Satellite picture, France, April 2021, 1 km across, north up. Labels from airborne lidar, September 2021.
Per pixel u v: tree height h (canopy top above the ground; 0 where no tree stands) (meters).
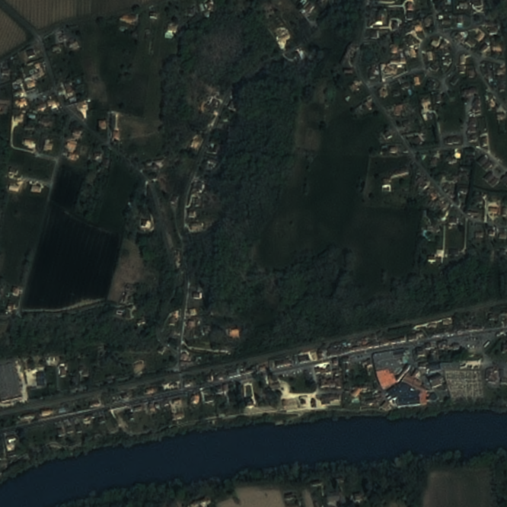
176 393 0
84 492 0
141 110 0
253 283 21
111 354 11
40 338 22
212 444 0
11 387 0
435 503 0
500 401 15
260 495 0
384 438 0
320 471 22
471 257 20
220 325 0
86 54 0
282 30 0
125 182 0
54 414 5
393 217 0
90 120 0
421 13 7
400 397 0
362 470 27
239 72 25
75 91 8
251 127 19
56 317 7
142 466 0
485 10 10
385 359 0
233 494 16
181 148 15
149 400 0
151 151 0
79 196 7
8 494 0
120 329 25
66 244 0
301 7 11
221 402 13
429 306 15
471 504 0
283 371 0
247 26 26
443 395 0
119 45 0
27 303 0
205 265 21
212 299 22
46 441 11
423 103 0
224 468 0
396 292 20
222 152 17
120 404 0
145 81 0
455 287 26
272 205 15
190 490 21
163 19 0
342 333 14
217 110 10
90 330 23
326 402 0
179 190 12
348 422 0
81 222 0
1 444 18
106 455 0
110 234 0
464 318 10
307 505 0
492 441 0
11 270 0
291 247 0
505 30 19
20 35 0
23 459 14
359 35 18
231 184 17
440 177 7
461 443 0
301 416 0
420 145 7
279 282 20
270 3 7
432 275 0
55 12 0
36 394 0
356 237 0
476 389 0
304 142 0
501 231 7
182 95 24
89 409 0
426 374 0
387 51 9
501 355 10
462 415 0
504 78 9
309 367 0
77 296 0
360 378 10
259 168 22
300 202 0
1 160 25
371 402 0
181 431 8
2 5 0
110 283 0
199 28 14
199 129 22
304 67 22
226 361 10
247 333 19
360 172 0
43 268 0
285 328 18
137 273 0
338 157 0
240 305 26
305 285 15
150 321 20
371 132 0
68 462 0
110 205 0
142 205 22
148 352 19
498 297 9
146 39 0
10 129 0
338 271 14
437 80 0
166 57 0
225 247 27
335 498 0
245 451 0
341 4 9
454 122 0
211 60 18
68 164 0
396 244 0
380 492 21
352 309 18
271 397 26
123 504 9
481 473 0
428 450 0
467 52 0
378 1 11
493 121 0
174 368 0
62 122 8
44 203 0
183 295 10
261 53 26
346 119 0
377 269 0
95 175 9
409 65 0
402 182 10
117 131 0
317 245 0
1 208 8
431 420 0
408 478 26
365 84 0
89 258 0
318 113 0
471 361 0
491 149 0
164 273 15
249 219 10
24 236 0
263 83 25
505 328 0
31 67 0
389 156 15
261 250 0
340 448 0
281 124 19
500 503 13
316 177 0
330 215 0
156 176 7
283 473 16
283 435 0
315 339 15
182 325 0
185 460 0
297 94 22
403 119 8
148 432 13
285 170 19
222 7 16
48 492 0
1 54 0
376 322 9
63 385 0
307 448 0
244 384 0
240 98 30
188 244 22
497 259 6
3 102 0
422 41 0
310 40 21
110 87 0
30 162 0
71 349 22
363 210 0
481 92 0
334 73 10
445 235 0
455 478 0
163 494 26
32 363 12
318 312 21
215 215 0
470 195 10
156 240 19
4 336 14
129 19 0
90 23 0
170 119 14
